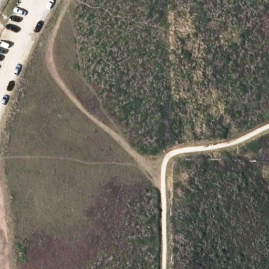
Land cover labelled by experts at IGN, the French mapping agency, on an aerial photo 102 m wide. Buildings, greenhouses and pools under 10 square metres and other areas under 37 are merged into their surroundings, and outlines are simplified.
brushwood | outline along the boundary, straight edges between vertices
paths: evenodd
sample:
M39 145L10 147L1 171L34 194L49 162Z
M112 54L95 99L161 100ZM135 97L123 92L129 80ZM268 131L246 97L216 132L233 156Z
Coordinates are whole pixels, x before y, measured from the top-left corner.
M231 128L229 123L224 125L222 116L213 117L211 113L206 116L206 127L214 140L226 140Z

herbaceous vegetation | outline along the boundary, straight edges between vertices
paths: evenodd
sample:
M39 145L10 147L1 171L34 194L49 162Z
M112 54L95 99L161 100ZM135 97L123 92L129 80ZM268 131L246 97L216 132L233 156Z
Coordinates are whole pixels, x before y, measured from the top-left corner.
M11 116L7 118L4 129L9 132L3 156L7 186L4 191L12 195L12 250L15 252L17 269L162 269L160 188L146 179L138 162L121 144L88 119L69 100L51 76L43 56L37 59L29 73L24 70L24 76L19 79L20 86L16 92L18 100L11 107Z
M173 269L269 269L269 129L260 136L230 147L179 153L172 157L175 160L172 215L167 221L172 224Z
M194 33L183 36L180 30L174 30L174 49L170 49L168 13L172 11L180 18L186 16L184 11L179 11L179 6L189 7L190 16L196 14L192 20ZM120 134L142 156L156 156L159 153L165 156L172 149L196 146L199 141L214 140L206 127L206 116L211 113L213 117L222 116L224 111L227 112L236 128L243 128L248 133L269 124L269 0L70 0L55 39L54 60L60 78L83 107Z

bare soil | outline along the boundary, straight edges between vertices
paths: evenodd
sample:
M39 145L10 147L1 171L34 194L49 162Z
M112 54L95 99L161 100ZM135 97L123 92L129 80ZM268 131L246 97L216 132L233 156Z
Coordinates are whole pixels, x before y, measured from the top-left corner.
M172 224L167 221L166 269L173 269Z
M168 13L170 49L174 49L174 30L180 30L183 36L194 33L192 20L196 14L190 16L189 7L179 6L179 11L184 11L186 16L180 18L172 11Z
M15 252L12 250L12 195L4 191L7 186L3 156L9 132L4 129L0 140L0 269L17 269Z
M222 116L224 125L229 123L231 128L226 140L214 140L199 141L196 146L229 142L248 133L243 128L236 128L227 112L224 111Z

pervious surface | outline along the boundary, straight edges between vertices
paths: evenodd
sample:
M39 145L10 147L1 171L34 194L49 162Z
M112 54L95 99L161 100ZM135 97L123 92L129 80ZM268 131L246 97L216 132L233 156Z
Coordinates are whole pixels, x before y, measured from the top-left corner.
M269 129L269 124L248 133L229 142L196 146L172 149L165 156L159 153L156 156L142 156L120 134L83 107L60 78L54 60L55 39L70 0L0 0L0 140L4 129L7 118L11 116L11 107L18 100L16 92L20 86L19 79L24 76L24 70L29 73L37 59L43 56L51 76L69 100L88 119L121 144L138 162L146 179L160 188L162 269L166 269L167 221L172 215L175 160L172 157L179 153L230 147L260 136Z

